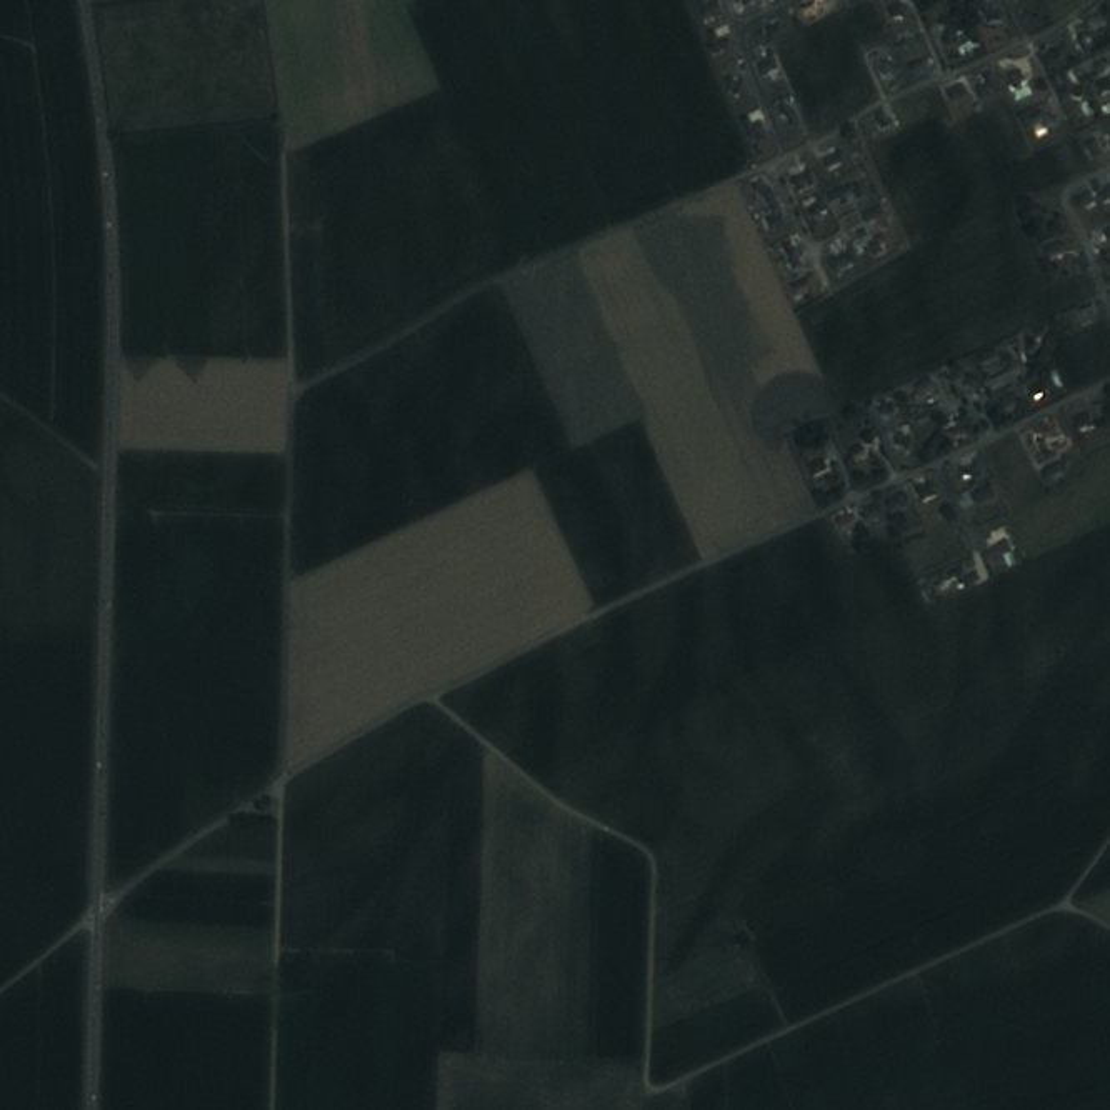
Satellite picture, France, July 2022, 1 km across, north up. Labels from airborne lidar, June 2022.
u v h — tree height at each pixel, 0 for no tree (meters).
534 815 0
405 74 0
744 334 0
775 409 0
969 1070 0
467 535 0
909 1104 0
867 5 0
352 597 0
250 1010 0
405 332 0
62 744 0
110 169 0
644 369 0
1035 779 0
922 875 0
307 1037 0
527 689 0
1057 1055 0
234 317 0
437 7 0
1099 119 6
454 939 0
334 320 0
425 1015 0
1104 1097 0
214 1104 0
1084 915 0
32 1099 0
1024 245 0
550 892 0
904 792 0
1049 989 0
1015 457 0
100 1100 0
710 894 0
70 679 0
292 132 0
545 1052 0
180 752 0
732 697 0
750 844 0
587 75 0
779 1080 0
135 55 0
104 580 0
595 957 0
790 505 0
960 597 0
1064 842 0
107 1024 0
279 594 0
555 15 0
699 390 0
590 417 0
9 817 0
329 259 0
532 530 0
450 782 0
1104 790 0
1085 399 0
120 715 0
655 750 0
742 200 0
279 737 0
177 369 0
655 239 0
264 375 0
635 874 0
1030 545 0
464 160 0
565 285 0
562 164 0
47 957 0
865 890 0
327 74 0
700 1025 0
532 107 0
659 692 0
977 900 0
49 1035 0
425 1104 0
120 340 0
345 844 0
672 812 0
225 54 0
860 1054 0
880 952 0
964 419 7
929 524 0
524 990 0
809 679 0
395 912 0
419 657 0
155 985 0
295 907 0
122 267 0
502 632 0
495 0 0
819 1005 0
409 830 0
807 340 0
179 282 0
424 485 0
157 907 0
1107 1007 0
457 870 0
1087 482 0
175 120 0
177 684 0
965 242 0
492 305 0
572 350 0
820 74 0
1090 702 0
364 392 0
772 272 0
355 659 0
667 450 0
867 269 0
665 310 0
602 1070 0
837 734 0
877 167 0
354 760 0
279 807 0
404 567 0
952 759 0
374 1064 0
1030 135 0
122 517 0
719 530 0
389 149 0
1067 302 0
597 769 0
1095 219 0
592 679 0
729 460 0
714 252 0
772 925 0
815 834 0
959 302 0
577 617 0
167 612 0
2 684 0
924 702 0
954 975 0
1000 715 0
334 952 0
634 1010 0
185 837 0
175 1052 0
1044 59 13
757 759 0
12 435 0
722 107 0
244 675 0
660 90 0
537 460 0
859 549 15
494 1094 0
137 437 0
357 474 0
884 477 11
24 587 0
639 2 0
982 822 0
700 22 0
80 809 0
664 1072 0
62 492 0
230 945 0
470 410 0
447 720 0
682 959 0
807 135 0
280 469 0
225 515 0
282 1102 0
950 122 0
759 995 0
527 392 0
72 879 0
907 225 0
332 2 0
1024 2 0
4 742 0
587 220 0
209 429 0
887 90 0
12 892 0
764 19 0
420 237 0
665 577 0
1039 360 6
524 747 0
